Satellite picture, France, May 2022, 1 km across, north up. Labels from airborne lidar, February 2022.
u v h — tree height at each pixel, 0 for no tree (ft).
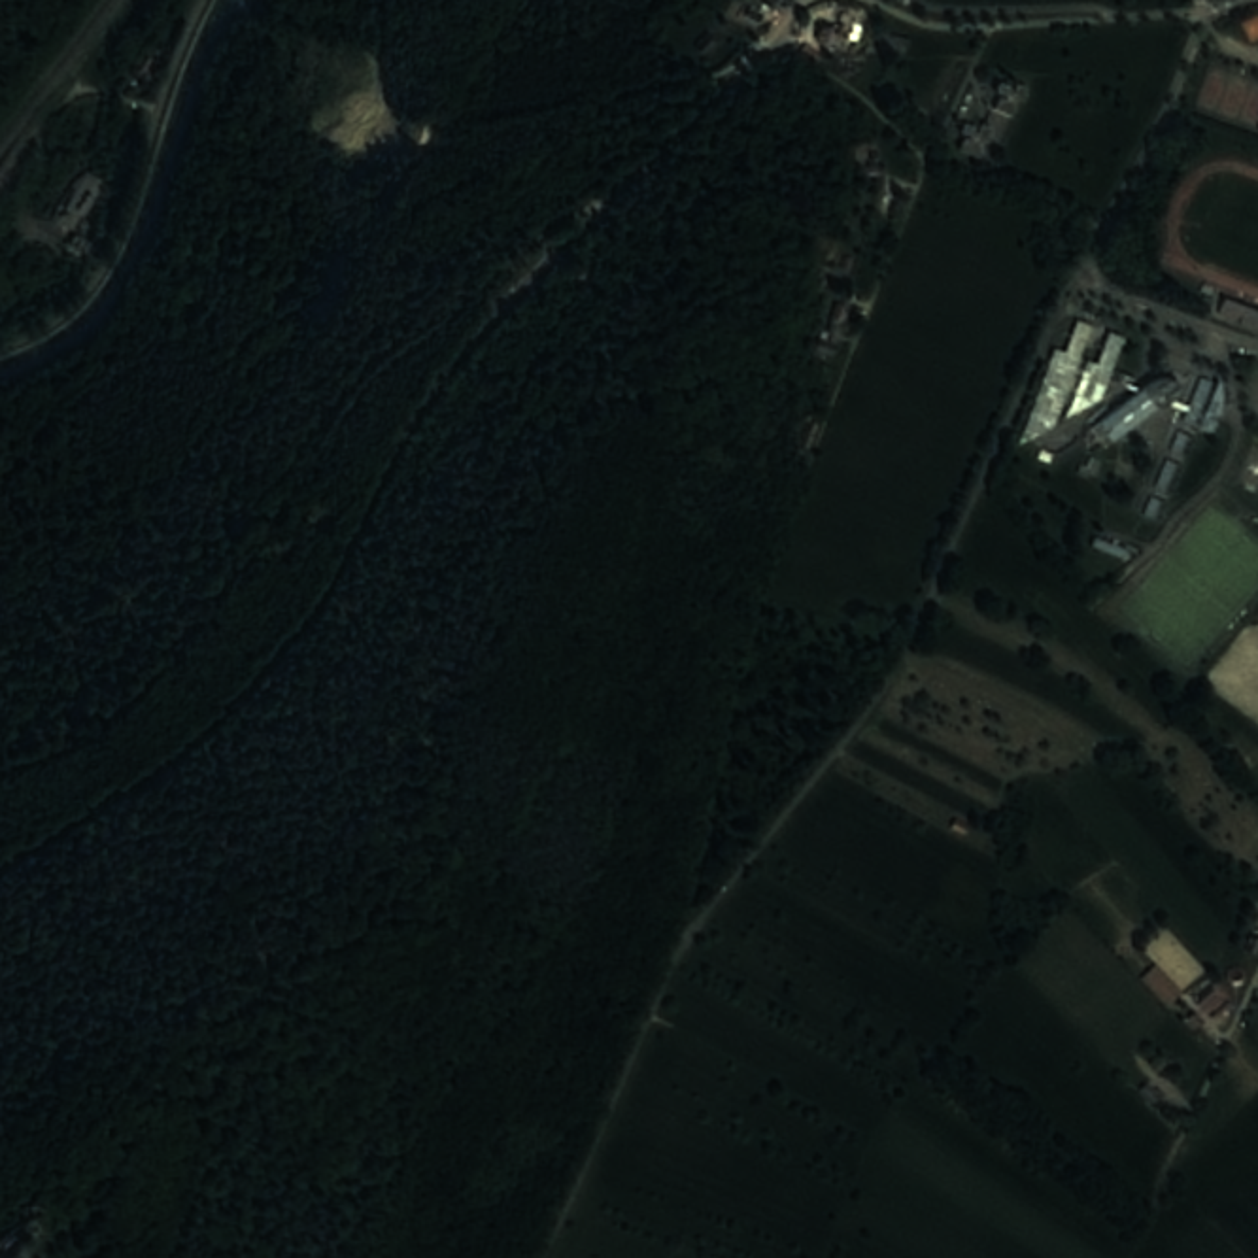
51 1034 100
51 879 91
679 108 78
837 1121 0
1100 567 0
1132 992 0
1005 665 0
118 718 48
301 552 50
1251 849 0
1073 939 0
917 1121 0
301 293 73
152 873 78
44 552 27
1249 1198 0
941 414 0
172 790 64
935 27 0
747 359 88
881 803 23
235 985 88
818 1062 0
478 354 26
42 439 102
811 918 0
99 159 53
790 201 110
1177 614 0
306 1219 98
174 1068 90
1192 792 0
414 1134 51
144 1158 82
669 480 79
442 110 82
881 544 0
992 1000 0
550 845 72
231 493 82
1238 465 0
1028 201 68
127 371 74
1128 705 0
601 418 62
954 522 53
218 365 73
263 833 83
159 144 0
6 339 46
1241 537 0
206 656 42
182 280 96
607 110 50
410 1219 64
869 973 0
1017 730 0
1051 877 0
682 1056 0
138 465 75
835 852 0
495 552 58
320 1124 95
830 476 0
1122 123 0
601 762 70
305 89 0
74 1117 66
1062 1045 0
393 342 67
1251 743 0
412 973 71
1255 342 0
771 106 66
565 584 70
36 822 36
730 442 94
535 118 70
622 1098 0
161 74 41
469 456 73
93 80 0
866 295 0
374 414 49
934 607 37
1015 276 0
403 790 74
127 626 71
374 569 82
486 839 76
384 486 49
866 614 72
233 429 76
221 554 65
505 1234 76
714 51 0
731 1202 0
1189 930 0
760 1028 0
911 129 86
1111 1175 55
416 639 80
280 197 101
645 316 48
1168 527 0
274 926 74
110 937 82
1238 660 0
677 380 88
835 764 0
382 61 74
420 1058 79
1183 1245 0
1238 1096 0
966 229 0
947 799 0
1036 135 0
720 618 76
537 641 68
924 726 24
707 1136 0
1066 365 0
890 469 0
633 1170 0
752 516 72
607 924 74
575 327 50
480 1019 77
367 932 78
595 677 65
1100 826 0
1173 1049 0
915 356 0
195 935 100
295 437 73
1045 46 0
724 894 0
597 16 66
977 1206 0
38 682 52
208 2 0
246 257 85
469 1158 75
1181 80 0
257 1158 91
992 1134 53
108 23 0
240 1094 93
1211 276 0
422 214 77
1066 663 0
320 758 75
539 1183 77
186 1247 87
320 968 75
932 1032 0
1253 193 0
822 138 44
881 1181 0
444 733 81
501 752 71
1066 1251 0
